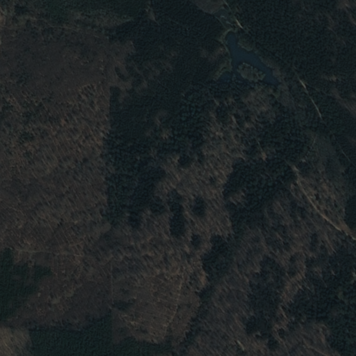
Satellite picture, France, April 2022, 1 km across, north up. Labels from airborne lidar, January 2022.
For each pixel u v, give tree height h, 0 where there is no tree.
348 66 21
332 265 27
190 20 23
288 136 35
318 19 22
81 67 7
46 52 7
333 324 27
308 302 27
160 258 31
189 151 27
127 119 22
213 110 25
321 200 27
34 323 11
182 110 24
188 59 25
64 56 10
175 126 18
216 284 31
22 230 5
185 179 31
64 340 20
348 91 23
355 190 18
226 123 8
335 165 20
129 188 6
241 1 30
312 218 29
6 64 6
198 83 23
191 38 21
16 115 6
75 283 7
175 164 29
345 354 38
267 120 34
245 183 32
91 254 31
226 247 30
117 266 6
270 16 30
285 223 28
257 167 31
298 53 33
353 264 28
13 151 6
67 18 9
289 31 25
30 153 6
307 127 21
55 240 5
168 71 19
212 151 25
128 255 0
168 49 23
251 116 34
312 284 29
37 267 10
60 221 31
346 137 24
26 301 9
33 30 8
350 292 22
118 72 19
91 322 16
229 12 32
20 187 7
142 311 8
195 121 35
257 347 31
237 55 0
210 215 0
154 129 23
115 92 18
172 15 21
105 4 11
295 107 21
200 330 8
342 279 31
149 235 22
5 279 7
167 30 21
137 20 11
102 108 7
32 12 6
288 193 24
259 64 0
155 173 28
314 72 36
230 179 30
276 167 35
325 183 28
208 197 32
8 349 0
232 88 31
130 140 19
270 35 26
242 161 27
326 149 22
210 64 22
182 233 33
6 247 7
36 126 28
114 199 35
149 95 18
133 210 31
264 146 29
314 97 29
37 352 18
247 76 25
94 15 9
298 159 31
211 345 0
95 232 30
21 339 0
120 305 6
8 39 8
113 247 7
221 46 24
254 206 34
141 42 25
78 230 30
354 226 24
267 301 28
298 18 23
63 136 31
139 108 20
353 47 35
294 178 33
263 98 30
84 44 9
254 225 28
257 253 31
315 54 32
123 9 8
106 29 9
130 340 18
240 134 28
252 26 28
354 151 24
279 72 20
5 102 6
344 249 24
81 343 21
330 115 30
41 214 31
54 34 9
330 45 25
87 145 26
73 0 9
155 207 30
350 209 25
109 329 15
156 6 22
